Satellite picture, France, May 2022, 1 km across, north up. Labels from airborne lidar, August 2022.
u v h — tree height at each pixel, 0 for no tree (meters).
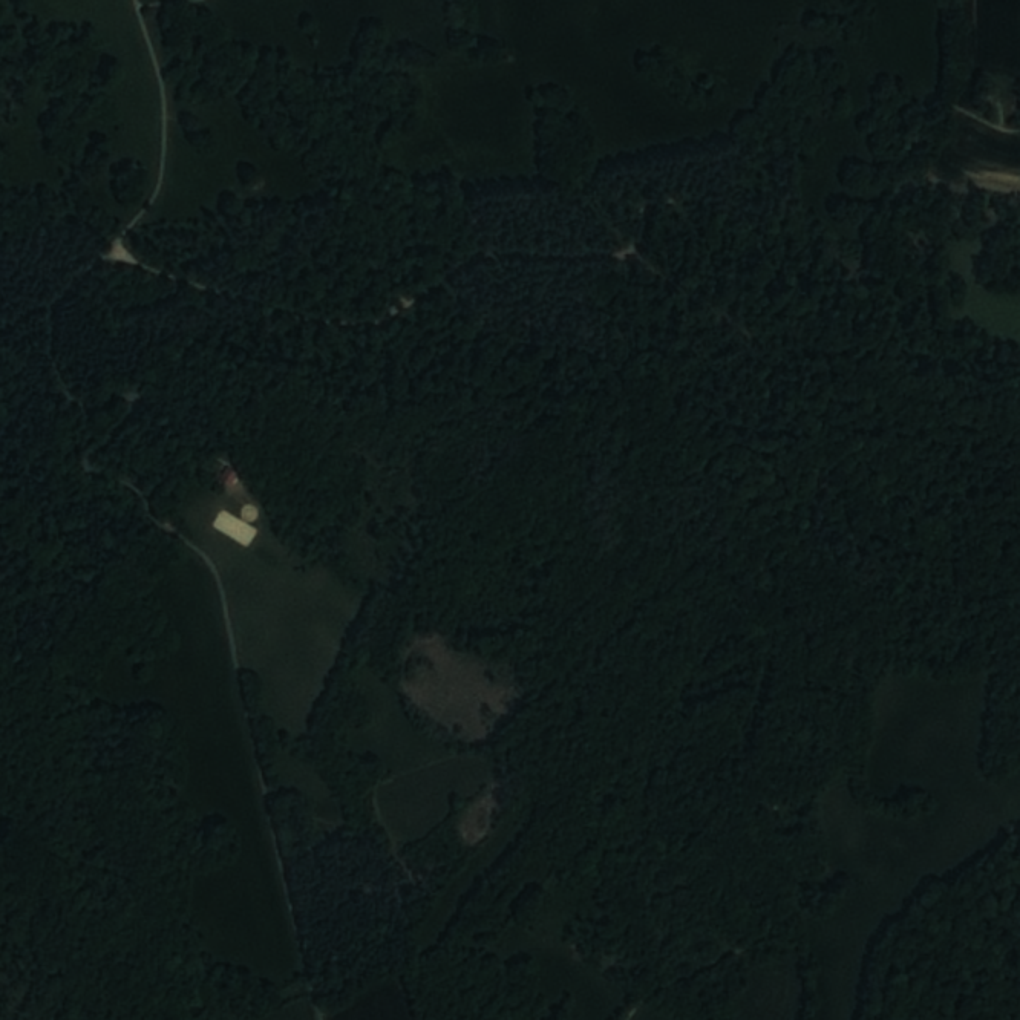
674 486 20
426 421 17
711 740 21
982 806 0
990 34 0
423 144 0
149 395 18
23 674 19
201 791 0
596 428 18
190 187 0
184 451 22
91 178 26
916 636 17
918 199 24
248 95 20
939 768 0
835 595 21
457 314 7
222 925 0
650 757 7
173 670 0
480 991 18
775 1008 0
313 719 13
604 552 16
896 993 25
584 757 15
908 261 23
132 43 0
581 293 28
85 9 0
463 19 22
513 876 16
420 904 15
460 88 0
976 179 0
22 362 19
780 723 19
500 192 28
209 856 23
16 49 26
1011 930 28
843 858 0
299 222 22
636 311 23
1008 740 16
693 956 7
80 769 19
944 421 26
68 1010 19
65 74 19
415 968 14
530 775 17
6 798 18
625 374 28
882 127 19
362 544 0
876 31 0
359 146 21
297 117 22
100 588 19
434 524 17
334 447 14
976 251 0
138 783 22
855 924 0
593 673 14
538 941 0
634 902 12
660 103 0
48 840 23
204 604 0
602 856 23
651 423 18
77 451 16
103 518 22
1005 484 26
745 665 13
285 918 0
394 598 16
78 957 16
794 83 19
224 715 0
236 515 0
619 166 25
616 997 0
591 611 17
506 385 28
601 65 0
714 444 27
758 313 15
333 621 0
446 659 0
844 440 26
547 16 0
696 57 0
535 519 22
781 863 19
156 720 24
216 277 28
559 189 25
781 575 22
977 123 0
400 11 0
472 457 12
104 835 21
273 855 0
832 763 14
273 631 0
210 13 16
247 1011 20
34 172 0
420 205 23
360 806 14
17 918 16
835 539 30
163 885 23
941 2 20
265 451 23
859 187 22
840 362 22
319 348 26
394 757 0
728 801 20
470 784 0
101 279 18
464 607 9
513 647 15
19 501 22
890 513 21
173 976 21
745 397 12
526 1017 20
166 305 31
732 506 24
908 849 0
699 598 19
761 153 22
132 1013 17
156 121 0
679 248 19
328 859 28
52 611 20
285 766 0
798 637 25
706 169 31
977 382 26
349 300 11
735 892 19
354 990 15
